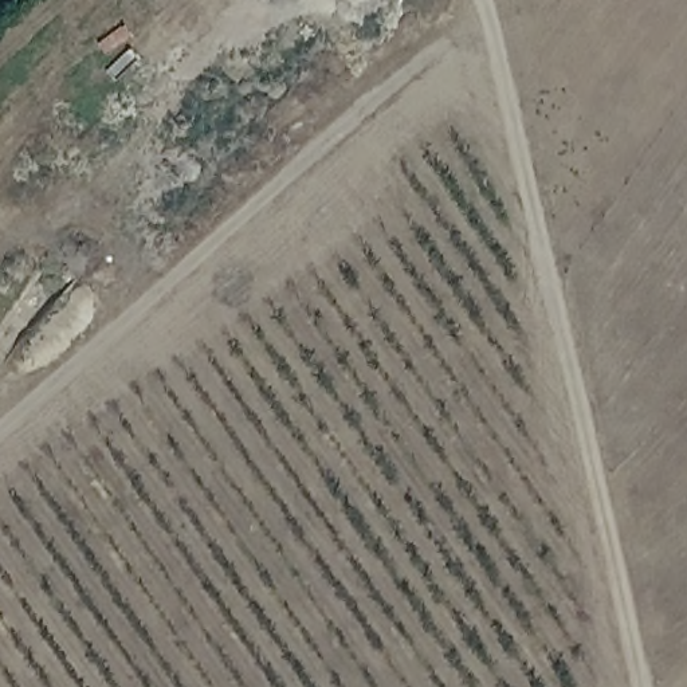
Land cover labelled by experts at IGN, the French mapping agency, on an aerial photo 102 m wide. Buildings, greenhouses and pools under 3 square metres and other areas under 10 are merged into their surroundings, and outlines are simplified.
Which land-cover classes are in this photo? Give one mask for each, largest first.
<instances>
[{"label":"plowed land","instance_id":"1","mask_svg":"<svg viewBox=\"0 0 687 687\"><path fill-rule=\"evenodd\" d=\"M411 62L419 72H413L381 105H376L327 153H322L311 166H306L266 209L252 215L242 231L228 236L225 244L207 263H201L180 284H174L158 303H153L145 311V317L134 327L115 338L102 352V357H94L75 378H70L67 386H62L56 394L40 403V408H35L0 443V687H43L38 674L27 666L24 655L13 647L8 633L11 628L21 633V639L32 647L35 657L48 671V687H75L59 666L56 655L40 639L38 628L27 620L24 609L19 606V598H27L32 609L46 620L48 631L62 644L72 668L86 679L89 687H107L97 666L89 663L72 631L56 615L54 606L59 601H64V606L72 612L94 649L107 660L121 687H142L134 671L121 657V652L97 625L91 612L81 604L72 582L54 564L48 550L35 537L32 526L19 515L16 505L8 496V491L13 488L27 499L30 510L38 515L46 534L64 553V558L70 561L91 598L110 620L113 631L121 636V641L129 647V652L137 657V663L156 687H174L150 655V649L142 644V639L131 631L123 612L113 604L110 593L102 588V580L91 572L83 553L75 547L64 526L56 521L54 510L38 494L32 483V478L38 475L43 478L48 491L64 505V510L75 518V526L83 531L97 558L107 566L121 596L134 606L140 620L153 633L158 649L180 671L188 687H271L263 671L250 657L247 647L217 612L215 601L191 574L185 558L174 547V539H182L191 547L207 577L223 593L225 604L233 609L236 620L260 647L263 657L274 666L284 687H303L295 671L284 663L282 652L268 639V633L260 628L250 606L242 601L220 564L212 558L207 547V542L212 539L236 566L250 593L263 604L266 615L274 620L276 631L298 655V660L303 663L317 687H464L459 674L445 660V652L451 647H456L462 663L475 674L480 687H631V674L606 574V558L601 550L598 526L585 483V467L572 421L569 389L556 354L547 303L539 290L537 266L529 247L523 199L510 158L488 48L483 43L478 54L456 51L445 38L421 48ZM454 126L488 172L496 196L502 199L510 215L507 223L496 220L491 204L483 199L470 169L454 150L448 140V131ZM424 150H432L454 172L467 201L475 204L480 220L488 225L494 239L507 250L518 271L515 279H507L502 274L496 258L467 223L464 212L456 207L443 180L424 161ZM400 156L408 158V166L416 172L424 188L432 196H437L445 217L459 228L462 239L472 247L475 258L488 271L491 282L507 298L510 309L521 322L518 330L507 327V322L499 317L491 298L480 287L478 276L454 250L448 233L435 223L429 207H424L421 199L413 193V188L400 172ZM405 209L432 236L451 271L459 274L464 290L480 306V317L470 319L467 309L456 301L451 284L437 274L429 255L421 250L413 231L400 217V212ZM389 239L403 242L408 258L424 274L427 284H432V290L440 295L445 311L456 319L462 333L456 344L448 338L445 327L435 322L432 306L403 271L400 260L389 247ZM384 274L394 279L397 290L405 295L408 306L419 317L416 322H408V317L386 295L381 284ZM258 325L287 360V365L298 376V384L290 386L271 365L258 338L252 335ZM301 346L314 349L341 397L360 413L368 437L386 451L397 470L394 483H389L381 475L378 464L362 451L341 408L330 400V394L317 384L311 368L301 360ZM255 368L276 392L290 419L306 435L303 443H295L290 437V432L276 421L268 403L258 394L255 384L247 376ZM456 472H462V478L472 483L478 499L496 518V531L488 534L475 507H470L464 494L456 488ZM330 475L338 478L352 505H357L370 531L394 558L400 577L408 580L416 596L424 601L427 612L437 623L432 633L421 628V620L411 609L408 598L394 588L381 561L365 547V542L344 515L341 502L333 499V494L322 483ZM432 480L443 486L456 513L470 526L472 537L488 550L491 561L499 569L496 580L488 582L475 553H470L454 531L448 515L440 510L429 491ZM373 491L381 494L389 513L400 521V529L419 547L421 558L429 564L435 574V582L445 590L456 609L464 612V620L478 631L480 641L494 657L488 666H483L478 655L467 647L451 612L432 598L424 577L411 564L405 547L397 545V539L381 521L378 510L373 507ZM427 531H437L445 539L454 558L462 561L464 572L480 590L486 601L483 606H472V601L464 596V588L445 569L437 547L427 539ZM319 553L330 564L333 574L344 582V588L357 598L373 631L381 636V649H373L368 644L362 628L357 625L346 604L335 598L333 588L319 574L317 564L311 561ZM507 585L531 615V633L521 628L513 609L502 598V590Z\"/></svg>","mask_w":687,"mask_h":687},{"label":"herbaceous vegetation","instance_id":"2","mask_svg":"<svg viewBox=\"0 0 687 687\"><path fill-rule=\"evenodd\" d=\"M13 0H0V416L8 413L16 403H21L40 381L56 373L62 365H67L81 346H86L123 309H129L145 290H150L153 282L164 279L207 233H212L252 193H258L306 142L325 131L338 115H344L365 91H370L394 70L411 62L421 48L445 38L456 27L451 21L437 24V16L448 11L451 0H403V16L394 30H386L376 11L368 13L362 21H344L335 13H306L268 30L263 43L220 51L212 64L223 67L236 81V89L242 94V110L236 113L228 137H217V142L201 140L196 148L185 150L191 161L199 164V177L193 182H185L182 188L166 191L161 199L140 201L137 212L131 209L134 196H140L145 182L142 164L123 161L107 169L105 164L137 131V110L129 107L126 99L142 94V81L134 70L145 64H164L166 51L174 48V35L182 30H191L196 40L204 43V38L212 35L215 24L223 19V11L231 8V3L236 0H40L32 5L30 13L19 19L16 27H8L5 5H11Z\"/></svg>","mask_w":687,"mask_h":687},{"label":"agricultural land","instance_id":"3","mask_svg":"<svg viewBox=\"0 0 687 687\"><path fill-rule=\"evenodd\" d=\"M518 91V105L545 209L550 247L556 255L561 290L566 298L580 370L590 400L609 502L617 521L620 547L628 569V582L633 593L644 657L652 674V687H687V0H494Z\"/></svg>","mask_w":687,"mask_h":687},{"label":"deciduous trees","instance_id":"4","mask_svg":"<svg viewBox=\"0 0 687 687\"><path fill-rule=\"evenodd\" d=\"M40 0H13L11 5H5L8 27H16L19 19L30 13L32 5ZM448 140L454 150L470 169L483 199L491 204L496 220L507 223L510 215L502 199L496 196L488 172L454 126L448 131ZM424 161L443 180L456 207L464 212L467 223L496 258L502 274L507 279H515L518 271L507 250L494 239L488 225L480 220L475 204L467 201L454 172L432 150H424ZM400 172L413 188V193L421 199L424 207H429L435 223L448 233L454 250L478 276L480 287L491 298L499 317L507 322V327L518 330L521 322L510 309L507 298L491 282L488 271L475 258L472 247L462 239L459 228L445 217L437 196H432L424 188L416 172L408 166V158L400 156ZM400 217L413 231L421 250L429 255L437 274L451 284L456 301L467 309L470 319L480 317V306L464 290L459 274L451 271L432 236L405 209L400 212ZM389 247L400 260L403 271L432 306L435 322L445 327L448 338L456 344L462 333L456 319L445 311L440 295L432 290V284H427L424 274L408 258L403 242L389 239ZM381 284L386 295L408 317V322H416L419 317L408 306L405 295L397 290L394 279L384 274ZM252 335L258 338L271 365L290 386L298 384V376L287 365V360L258 325ZM301 360L311 368L317 384L330 394V400L341 408L362 451L378 464L381 475L389 483H394L397 470L386 451L368 437L360 413L341 397L314 349L301 346ZM247 376L255 384L258 394L268 403L276 421L290 432V437L295 443H303L306 435L290 419L276 392L255 368ZM456 488L464 494L470 507H475L488 534L496 531V518L478 499L472 483L462 478V472H456ZM32 483L38 494L54 510L56 521L64 526L75 547L83 553L91 572L102 580V588L110 593L113 604L123 612L131 631L142 639V644L150 649V655L174 687H188L180 671L158 649L153 633L140 620L134 606L121 596L107 566L97 558L83 531L75 526V518L64 510V505L48 491L43 478L38 475L32 478ZM322 483L333 494V499L341 502L344 515L365 542V547L381 561L394 588L408 598L411 609L421 620V628L432 633L437 623L427 612L424 601L416 596L408 580L400 577L394 558L370 531L357 505H352L338 478L330 475ZM429 491L440 510L448 515L454 531L470 553H475L488 582L496 580L499 569L491 561L488 550L472 537L470 526L456 513L443 486L432 480ZM8 496L16 505L19 515L32 526L35 537L48 550L54 564L72 582L81 604L91 612L97 625L121 652V657L134 671L142 687H156L137 663V657L129 652V647L121 641V636L113 631L110 620L91 598L70 561L64 558V553L46 534L38 515L30 510L27 499L13 488L8 491ZM373 507L378 510L381 521L397 539V545L405 547L411 564L424 577L432 598L451 612L467 647L478 655L483 666H488L494 657L480 641L478 631L464 620V612L456 609L445 590L435 582V574L429 564L421 558L419 547L400 529V521L389 513L381 494L373 491ZM427 539L437 547L445 569L464 588V596L472 601V606H483L486 601L480 590L464 572L462 561L454 558L445 539L437 531H427ZM174 547L185 558L191 574L215 601L217 612L247 647L250 657L263 671L271 687H284L274 666L263 657L260 647L236 620L233 609L225 604L223 593L207 577L191 547L182 539H174ZM207 547L212 558L220 564L242 601L250 606L260 628L268 633V639L282 652L284 663L295 671L303 687H317L303 663L298 660V655L276 631L274 620L266 615L263 604L250 593L236 566L212 539L207 542ZM311 561L317 564L319 574L333 588L335 598L346 604L357 625L362 628L368 644L373 649H381V636L373 631L357 598L344 588V582L333 574L330 564L319 553ZM502 598L513 609L521 628L531 633V615L507 585L502 590ZM19 606L24 609L27 620L38 628L40 639L56 655L59 666L75 687H89L86 679L72 668L62 644L48 631L46 620L32 609L27 598H19ZM56 615L72 631L89 663L97 666L107 687H121L107 660L94 649L72 612L64 606V601H59L54 606ZM8 633L13 647L24 655L27 666L38 674L43 687H48V671L35 657L32 647L21 639V633L11 628ZM445 660L459 674L464 687H480L475 674L462 663L456 647H451L445 652Z\"/></svg>","mask_w":687,"mask_h":687},{"label":"pervious surface","instance_id":"5","mask_svg":"<svg viewBox=\"0 0 687 687\"><path fill-rule=\"evenodd\" d=\"M376 11L386 30H394L403 16V0H236L231 3V8L223 11V19L215 24L212 35L204 38V43L196 40L191 30H182L174 35V48L166 51L164 64H145L134 70L142 81V94L126 99L129 107L137 110V131L105 164L107 169L123 161L142 164L145 182L140 196H134L131 209L137 212L140 201L161 199L166 191L182 188L185 182H193L199 177V164L191 161L185 150L164 148L158 140V129L166 113L180 107L188 83L212 64L220 51L263 43L268 30L306 13H335L344 21H362L368 13ZM451 21L456 27L445 38L456 51L478 54L483 43L488 48L510 158L523 199L529 247L537 266L539 290L547 303L556 354L569 389L572 421L585 467V483L598 526L601 550L606 558V574L631 674V687H652V674L644 657L633 593L628 582V569L620 547L617 521L609 502L590 400L580 370L566 298L561 290L556 255L550 247L545 209L518 105V91L494 0H451L448 11L437 16V24ZM413 72H419L411 62L394 70L370 91H365L344 115H338L325 131L306 142L258 193H252L212 233H207L164 279L153 282L150 290H145L129 309H123L86 346H81L67 365H62L56 373L40 381L21 403H16L8 413L0 416V443L35 408H40V403L56 394L62 386H67L70 378H75L94 357H102V352L115 338L134 327L145 317V311L153 303H158L174 284H180L201 263H207L225 244L228 236L242 231L252 215L266 209L306 166H311L322 153H327L376 105H381Z\"/></svg>","mask_w":687,"mask_h":687},{"label":"brushwood","instance_id":"6","mask_svg":"<svg viewBox=\"0 0 687 687\"><path fill-rule=\"evenodd\" d=\"M242 110V94L236 89V81L223 67L212 64L188 83L180 107L166 113L158 129V140L164 148L185 150L196 148L201 140L217 142V137H228L236 113Z\"/></svg>","mask_w":687,"mask_h":687}]
</instances>
